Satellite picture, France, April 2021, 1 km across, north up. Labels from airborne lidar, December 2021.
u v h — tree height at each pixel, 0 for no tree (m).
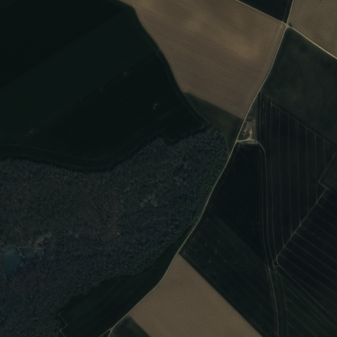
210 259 0
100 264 30
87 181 19
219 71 0
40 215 22
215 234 0
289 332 0
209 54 0
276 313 0
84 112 0
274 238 0
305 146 0
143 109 0
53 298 25
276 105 0
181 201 27
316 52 0
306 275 0
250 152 0
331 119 0
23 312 27
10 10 0
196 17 0
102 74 0
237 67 0
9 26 0
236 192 0
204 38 0
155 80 0
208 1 0
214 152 18
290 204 0
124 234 15
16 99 0
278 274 0
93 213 31
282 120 0
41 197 23
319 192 0
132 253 24
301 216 0
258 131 0
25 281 28
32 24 0
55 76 0
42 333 23
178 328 0
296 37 0
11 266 0
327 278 0
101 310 0
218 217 0
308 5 0
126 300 0
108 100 0
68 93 0
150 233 26
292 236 0
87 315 0
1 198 29
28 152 0
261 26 0
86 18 0
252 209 0
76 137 0
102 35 0
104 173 22
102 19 0
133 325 0
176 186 24
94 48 0
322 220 0
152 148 22
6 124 0
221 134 15
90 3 0
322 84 0
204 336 0
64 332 0
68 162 0
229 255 0
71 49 0
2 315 21
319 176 0
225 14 0
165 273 0
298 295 0
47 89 0
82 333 0
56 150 0
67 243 22
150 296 0
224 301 0
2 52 0
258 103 0
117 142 0
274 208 0
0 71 0
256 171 0
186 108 0
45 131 0
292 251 0
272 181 0
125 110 0
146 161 22
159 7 0
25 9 0
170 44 0
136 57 0
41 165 18
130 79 0
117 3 0
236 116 0
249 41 0
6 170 20
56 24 0
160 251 19
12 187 27
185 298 0
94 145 0
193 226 0
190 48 0
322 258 0
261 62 0
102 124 0
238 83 0
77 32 0
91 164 0
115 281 0
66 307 0
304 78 0
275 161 0
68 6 0
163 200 27
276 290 0
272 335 0
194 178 28
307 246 0
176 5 0
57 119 0
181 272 0
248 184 0
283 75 0
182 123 0
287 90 0
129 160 16
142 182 21
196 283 0
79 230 23
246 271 0
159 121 0
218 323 0
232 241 0
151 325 0
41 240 27
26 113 0
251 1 0
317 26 0
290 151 0
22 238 10
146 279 0
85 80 0
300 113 0
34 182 24
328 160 0
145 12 0
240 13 0
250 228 0
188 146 18
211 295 0
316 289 0
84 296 0
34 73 0
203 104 0
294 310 0
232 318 0
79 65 0
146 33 0
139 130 0
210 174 20
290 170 0
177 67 0
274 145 0
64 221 28
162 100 0
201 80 0
